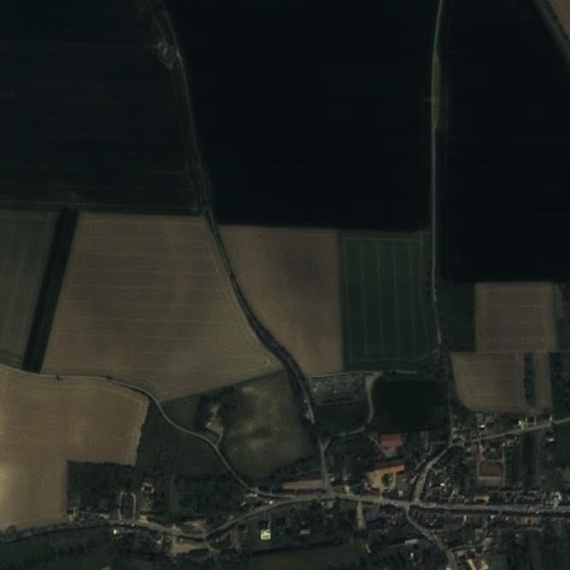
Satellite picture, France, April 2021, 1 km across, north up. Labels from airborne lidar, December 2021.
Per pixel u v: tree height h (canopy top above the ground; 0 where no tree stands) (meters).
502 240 0
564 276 0
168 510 0
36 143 0
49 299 0
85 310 0
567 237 0
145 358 0
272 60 0
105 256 0
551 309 0
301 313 0
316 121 0
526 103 0
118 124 0
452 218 0
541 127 0
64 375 0
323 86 0
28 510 0
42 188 0
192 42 0
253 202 0
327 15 0
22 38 0
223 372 0
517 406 0
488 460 0
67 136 0
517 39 0
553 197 0
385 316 0
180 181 0
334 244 0
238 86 0
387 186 0
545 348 0
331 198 0
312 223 0
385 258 0
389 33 0
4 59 0
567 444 0
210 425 0
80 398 0
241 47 0
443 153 0
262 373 0
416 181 0
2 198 0
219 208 0
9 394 0
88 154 0
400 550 0
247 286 0
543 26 0
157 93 0
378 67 0
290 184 0
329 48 0
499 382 0
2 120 0
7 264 0
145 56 0
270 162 0
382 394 0
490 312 0
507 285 0
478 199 0
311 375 0
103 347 0
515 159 0
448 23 0
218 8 0
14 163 0
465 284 0
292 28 0
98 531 25
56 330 0
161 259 0
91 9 0
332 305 0
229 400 14
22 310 0
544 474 0
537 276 0
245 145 0
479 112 0
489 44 0
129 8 0
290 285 0
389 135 0
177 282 0
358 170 0
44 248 0
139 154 0
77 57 0
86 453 0
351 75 0
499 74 0
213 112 0
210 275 0
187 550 0
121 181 0
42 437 0
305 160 0
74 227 0
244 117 0
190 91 0
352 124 0
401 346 0
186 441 0
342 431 0
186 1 0
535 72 0
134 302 0
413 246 0
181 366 0
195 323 0
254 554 7
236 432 0
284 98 0
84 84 0
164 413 0
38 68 0
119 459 0
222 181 0
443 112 0
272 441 0
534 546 0
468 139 0
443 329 15
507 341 0
